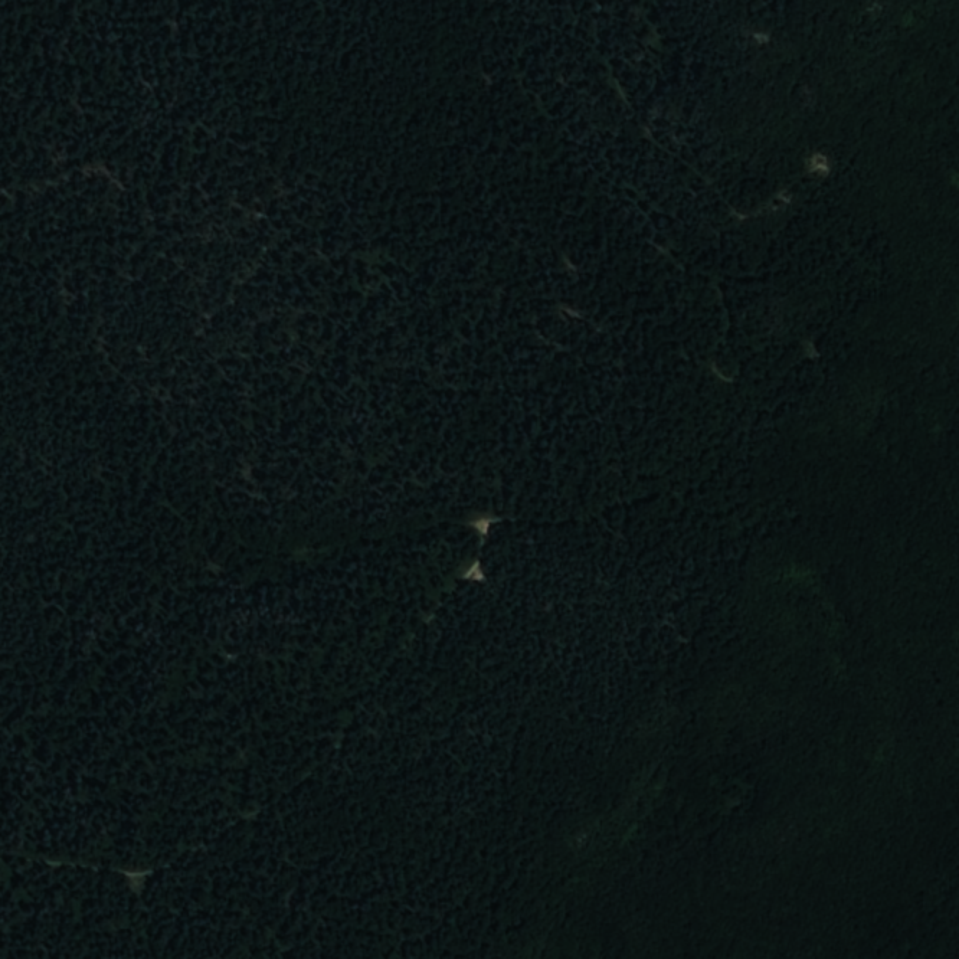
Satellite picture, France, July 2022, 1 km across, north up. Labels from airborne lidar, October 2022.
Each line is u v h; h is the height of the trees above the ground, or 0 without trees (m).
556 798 11
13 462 15
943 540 24
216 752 19
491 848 14
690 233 14
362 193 16
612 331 13
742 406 7
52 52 25
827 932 21
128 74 19
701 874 19
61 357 19
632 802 12
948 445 23
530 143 20
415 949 20
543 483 6
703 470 23
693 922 18
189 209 16
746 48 12
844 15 19
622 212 28
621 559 18
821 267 20
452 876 15
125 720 19
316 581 26
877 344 21
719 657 22
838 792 22
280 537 9
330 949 16
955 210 29
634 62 10
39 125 28
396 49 13
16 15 22
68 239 25
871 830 20
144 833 28
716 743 21
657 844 18
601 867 22
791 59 11
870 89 13
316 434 6
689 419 10
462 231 15
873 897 24
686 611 16
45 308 30
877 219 22
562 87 20
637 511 19
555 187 13
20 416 11
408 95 18
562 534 16
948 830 24
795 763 21
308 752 17
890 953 23
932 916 19
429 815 11
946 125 18
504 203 16
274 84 20
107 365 20
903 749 25
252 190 13
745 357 7
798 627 18
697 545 17
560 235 21
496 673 14
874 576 22
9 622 16
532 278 16
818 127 15
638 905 19
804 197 17
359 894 8
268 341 21
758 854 18
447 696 12
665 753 19
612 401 28
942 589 22
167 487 9
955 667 25
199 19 8
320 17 18
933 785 28
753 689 16
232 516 6
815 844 20
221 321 16
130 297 12
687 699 21
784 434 20
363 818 10
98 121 20
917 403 22
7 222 18
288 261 7
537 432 20
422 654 7
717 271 24
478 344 10
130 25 20
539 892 19
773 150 16
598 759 12
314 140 20
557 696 10
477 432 11
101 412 6
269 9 15
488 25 14
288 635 22
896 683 25
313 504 8
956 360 24
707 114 17
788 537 26
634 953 17
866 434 12
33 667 17
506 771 15
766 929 18
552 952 17
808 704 22
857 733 25
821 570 24
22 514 16
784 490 25
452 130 15
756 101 11
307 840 11
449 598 13
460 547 12
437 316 17
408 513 24
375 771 12
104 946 17
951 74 21
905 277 22
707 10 15
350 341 24
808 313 6
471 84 15
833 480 23
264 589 23
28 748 32
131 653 25
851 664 26
